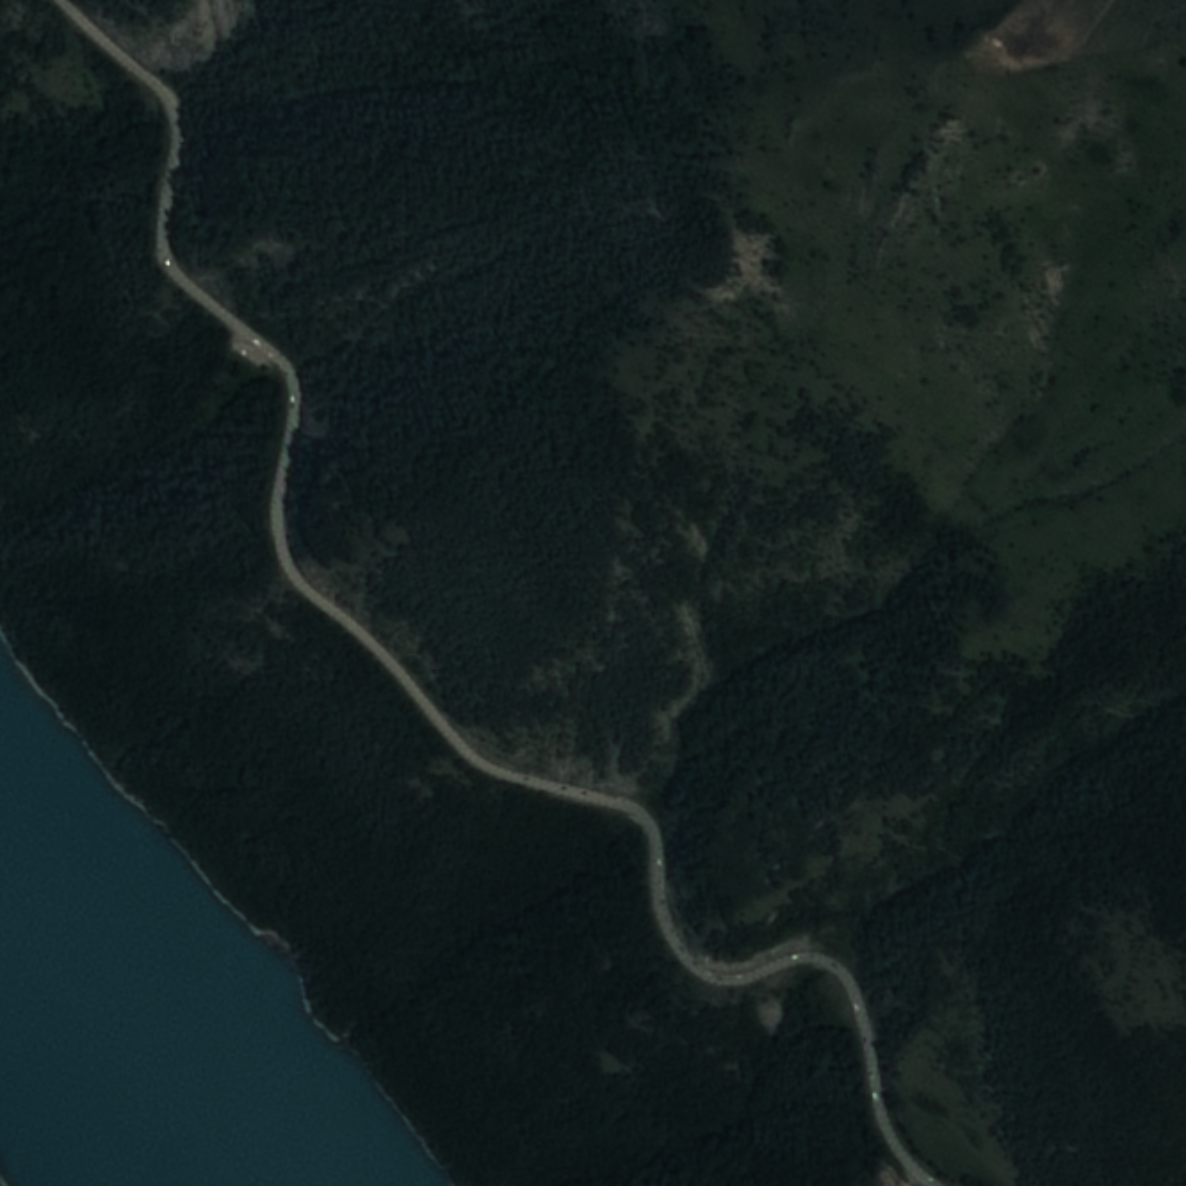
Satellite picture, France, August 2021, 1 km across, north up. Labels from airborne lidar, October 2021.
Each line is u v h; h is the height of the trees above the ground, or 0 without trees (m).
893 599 9
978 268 0
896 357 0
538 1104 15
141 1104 0
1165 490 0
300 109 9
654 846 0
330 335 7
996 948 12
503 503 11
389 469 12
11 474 12
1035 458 0
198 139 8
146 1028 0
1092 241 0
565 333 15
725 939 7
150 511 20
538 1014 16
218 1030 0
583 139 6
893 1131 0
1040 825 13
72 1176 0
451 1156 12
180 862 0
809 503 8
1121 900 7
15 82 8
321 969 14
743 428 7
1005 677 9
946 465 0
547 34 14
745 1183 16
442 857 13
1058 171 0
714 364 7
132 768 10
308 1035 0
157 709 15
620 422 7
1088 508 0
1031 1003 9
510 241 9
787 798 15
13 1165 0
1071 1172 8
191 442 10
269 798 13
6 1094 0
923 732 7
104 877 0
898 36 0
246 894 9
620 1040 10
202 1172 0
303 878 10
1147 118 0
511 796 11
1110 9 0
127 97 20
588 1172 20
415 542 10
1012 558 0
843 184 0
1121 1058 12
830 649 11
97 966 0
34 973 0
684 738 14
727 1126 12
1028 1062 11
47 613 18
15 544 16
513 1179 13
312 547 14
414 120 14
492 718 8
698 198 6
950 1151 0
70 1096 0
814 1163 12
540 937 19
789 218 0
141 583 10
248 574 13
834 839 8
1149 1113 11
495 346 12
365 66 10
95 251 16
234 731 12
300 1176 0
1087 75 0
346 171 14
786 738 13
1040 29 0
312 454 10
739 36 0
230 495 9
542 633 10
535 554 11
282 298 8
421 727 11
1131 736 11
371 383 9
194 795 22
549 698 6
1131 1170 9
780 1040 15
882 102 0
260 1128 0
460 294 9
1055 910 9
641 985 12
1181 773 13
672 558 10
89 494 16
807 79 0
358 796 14
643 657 8
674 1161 19
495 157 12
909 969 6
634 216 6
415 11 13
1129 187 0
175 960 0
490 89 10
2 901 0
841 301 0
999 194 0
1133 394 0
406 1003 19
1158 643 7
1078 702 8
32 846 0
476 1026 15
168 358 17
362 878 10
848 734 14
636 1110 8
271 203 12
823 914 9
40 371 16
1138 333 6
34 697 0
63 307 27
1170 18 0
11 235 29
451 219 10
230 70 10
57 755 0
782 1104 10
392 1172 0
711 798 11
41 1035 0
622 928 15
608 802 0
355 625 0
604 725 7
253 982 0
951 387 0
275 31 12
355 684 9
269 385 17
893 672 6
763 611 9
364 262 9
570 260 12
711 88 7
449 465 11
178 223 13
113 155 18
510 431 14
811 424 8
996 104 0
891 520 10
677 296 9
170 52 0
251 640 6
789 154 0
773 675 7
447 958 21
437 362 10
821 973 0
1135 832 14
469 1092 16
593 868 22
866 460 9
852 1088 12
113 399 18
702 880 12
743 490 7
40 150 24
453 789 8
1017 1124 7
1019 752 14
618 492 12
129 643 17
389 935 11
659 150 8
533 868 14
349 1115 0
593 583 9
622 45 8
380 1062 18
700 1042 15
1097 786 15
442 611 8
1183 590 9
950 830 9
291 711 11
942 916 14
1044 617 0
